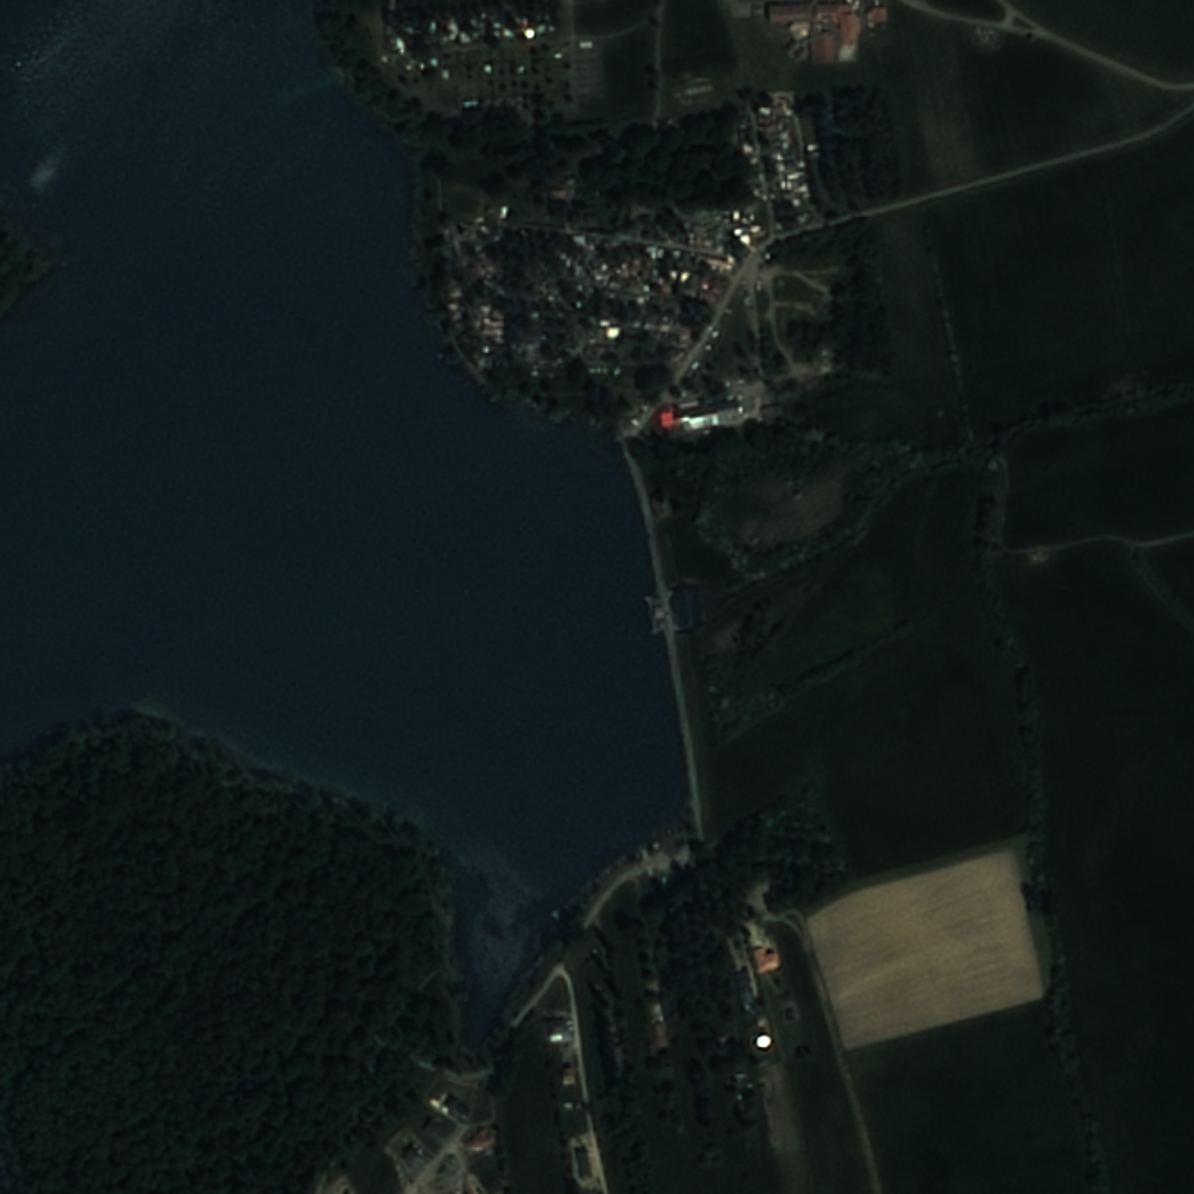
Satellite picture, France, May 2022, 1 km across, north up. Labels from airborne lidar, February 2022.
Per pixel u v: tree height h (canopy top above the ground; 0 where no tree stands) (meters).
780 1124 0
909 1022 0
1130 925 0
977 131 0
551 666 0
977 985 0
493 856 0
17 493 0
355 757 0
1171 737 0
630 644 0
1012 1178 0
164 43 0
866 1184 0
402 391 0
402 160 0
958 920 0
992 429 0
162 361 0
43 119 0
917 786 0
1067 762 0
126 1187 26
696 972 17
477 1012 0
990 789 0
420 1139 0
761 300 0
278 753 0
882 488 8
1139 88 0
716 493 6
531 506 0
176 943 25
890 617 0
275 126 0
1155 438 0
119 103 0
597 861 0
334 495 0
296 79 0
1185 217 0
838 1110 0
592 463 0
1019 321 0
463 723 0
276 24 0
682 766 0
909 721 0
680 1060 0
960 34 0
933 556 0
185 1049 25
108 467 0
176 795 25
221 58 0
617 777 0
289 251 0
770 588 0
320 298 0
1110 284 0
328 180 0
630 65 0
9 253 21
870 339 12
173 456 0
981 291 0
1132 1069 0
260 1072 27
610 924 0
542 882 0
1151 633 0
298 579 0
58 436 0
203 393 0
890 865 0
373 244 0
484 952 0
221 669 0
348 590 0
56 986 29
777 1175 0
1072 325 0
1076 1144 0
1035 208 0
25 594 0
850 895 0
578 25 0
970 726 0
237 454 0
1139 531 0
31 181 0
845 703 0
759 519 0
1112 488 0
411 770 0
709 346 0
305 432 0
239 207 0
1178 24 0
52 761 21
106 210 0
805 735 0
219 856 23
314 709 0
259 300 0
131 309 0
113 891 24
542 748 0
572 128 8
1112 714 0
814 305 0
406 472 0
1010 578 0
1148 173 0
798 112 13
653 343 16
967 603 0
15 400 0
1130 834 0
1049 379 0
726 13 0
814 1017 0
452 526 0
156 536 0
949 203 0
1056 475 0
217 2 0
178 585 0
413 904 23
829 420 0
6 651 0
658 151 17
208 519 0
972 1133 0
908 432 0
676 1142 0
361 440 0
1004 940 0
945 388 0
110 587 0
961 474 0
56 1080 30
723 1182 0
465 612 0
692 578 0
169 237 0
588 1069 0
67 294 0
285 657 0
